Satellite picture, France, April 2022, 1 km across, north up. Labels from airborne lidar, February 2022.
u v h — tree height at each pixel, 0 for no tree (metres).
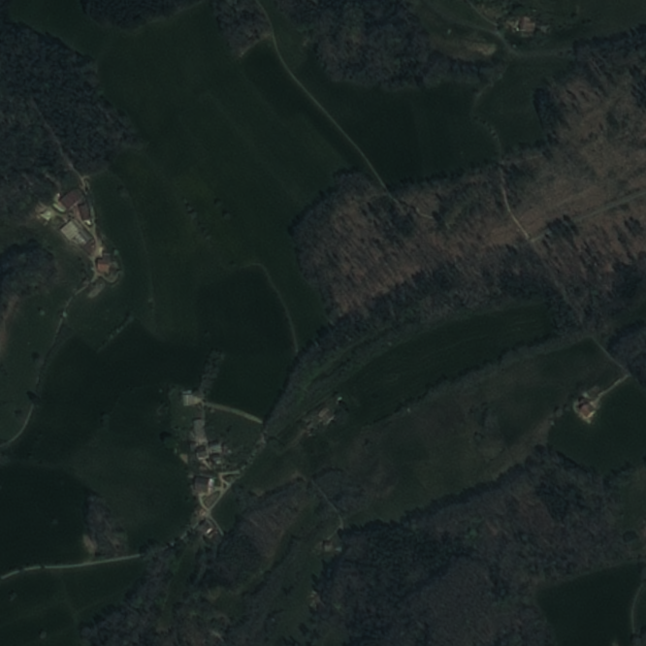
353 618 18
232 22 30
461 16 0
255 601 19
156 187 0
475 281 22
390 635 27
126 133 30
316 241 19
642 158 0
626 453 0
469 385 27
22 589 0
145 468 0
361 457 0
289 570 0
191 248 0
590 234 0
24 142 25
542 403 0
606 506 25
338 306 20
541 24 6
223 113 0
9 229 0
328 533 0
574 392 0
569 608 0
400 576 25
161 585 23
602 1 0
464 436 0
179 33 0
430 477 0
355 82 15
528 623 25
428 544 19
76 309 0
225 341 0
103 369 0
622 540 24
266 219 0
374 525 0
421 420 0
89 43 0
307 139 0
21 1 0
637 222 0
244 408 0
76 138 12
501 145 0
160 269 0
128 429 0
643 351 36
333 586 28
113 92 0
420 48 32
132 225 0
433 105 0
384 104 0
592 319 24
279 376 0
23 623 0
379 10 24
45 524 0
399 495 0
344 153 0
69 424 0
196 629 22
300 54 0
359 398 0
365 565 20
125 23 25
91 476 0
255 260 0
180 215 0
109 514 28
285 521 35
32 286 33
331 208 25
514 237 0
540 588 0
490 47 0
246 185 0
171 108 0
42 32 0
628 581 0
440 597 34
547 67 0
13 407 0
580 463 0
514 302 16
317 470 0
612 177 0
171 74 0
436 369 0
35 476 0
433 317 24
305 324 0
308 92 0
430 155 0
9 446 9
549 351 24
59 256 0
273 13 0
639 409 0
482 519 35
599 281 25
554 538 10
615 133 0
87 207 14
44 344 0
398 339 22
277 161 0
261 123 0
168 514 0
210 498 0
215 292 0
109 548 31
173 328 0
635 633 0
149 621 32
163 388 0
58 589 0
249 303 0
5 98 27
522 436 0
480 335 0
